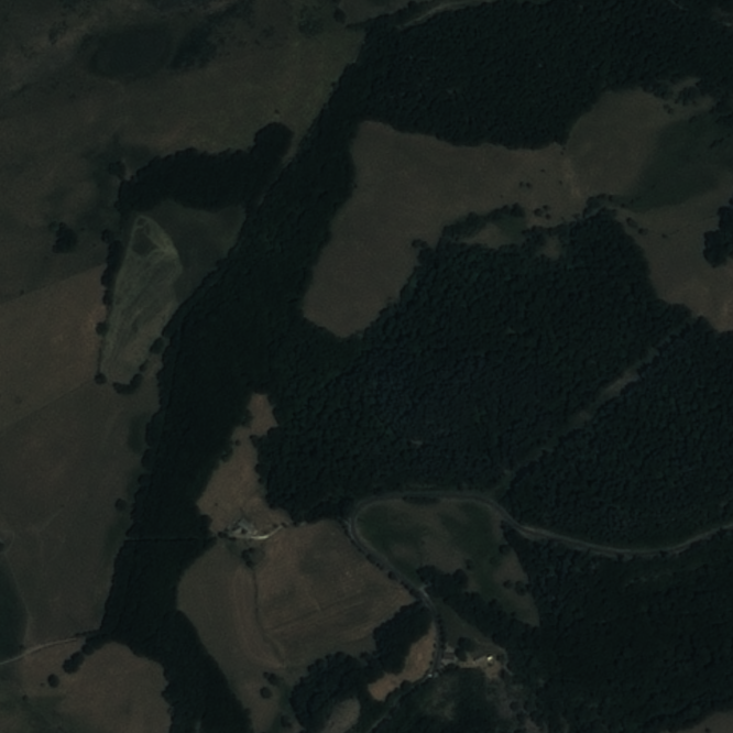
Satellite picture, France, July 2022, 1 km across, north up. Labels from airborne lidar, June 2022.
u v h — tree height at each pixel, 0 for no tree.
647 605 7
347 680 19
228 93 0
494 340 18
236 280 13
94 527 0
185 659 17
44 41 0
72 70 0
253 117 0
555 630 12
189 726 14
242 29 0
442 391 19
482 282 17
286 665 0
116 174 9
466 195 0
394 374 16
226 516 0
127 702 0
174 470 13
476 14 13
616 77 17
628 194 0
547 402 21
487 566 0
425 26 12
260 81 0
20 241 0
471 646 19
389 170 0
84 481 0
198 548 18
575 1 15
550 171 0
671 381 13
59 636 0
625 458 18
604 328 11
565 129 16
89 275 0
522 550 20
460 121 13
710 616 19
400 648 19
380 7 0
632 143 0
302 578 0
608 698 11
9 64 0
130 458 0
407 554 0
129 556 14
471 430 18
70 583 0
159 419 12
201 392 16
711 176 0
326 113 14
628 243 17
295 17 0
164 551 16
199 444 18
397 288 0
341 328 0
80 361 0
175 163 15
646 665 17
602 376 18
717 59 16
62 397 0
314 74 0
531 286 20
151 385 0
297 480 15
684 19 16
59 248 10
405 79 12
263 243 11
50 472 0
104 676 0
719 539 14
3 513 0
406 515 0
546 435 14
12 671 0
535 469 19
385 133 0
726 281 0
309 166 12
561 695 12
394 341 18
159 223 0
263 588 0
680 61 17
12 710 0
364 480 20
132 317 0
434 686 14
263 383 14
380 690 0
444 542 0
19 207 0
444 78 12
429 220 0
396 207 0
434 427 15
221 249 0
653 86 8
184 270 0
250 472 0
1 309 0
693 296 0
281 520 0
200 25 0
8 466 0
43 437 0
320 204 17
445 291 9
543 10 16
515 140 16
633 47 20
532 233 10
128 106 0
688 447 16
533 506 13
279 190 10
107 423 0
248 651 0
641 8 18
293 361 16
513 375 15
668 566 15
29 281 0
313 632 0
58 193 0
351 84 16
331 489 10
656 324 17
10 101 0
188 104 0
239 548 0
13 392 0
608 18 14
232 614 0
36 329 0
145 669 0
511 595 0
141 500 12
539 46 12
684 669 18
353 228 0
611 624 16
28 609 0
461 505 0
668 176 0
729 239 9
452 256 11
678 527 16
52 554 0
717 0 11
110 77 0
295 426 17
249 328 17
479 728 13
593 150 0
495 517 0
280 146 14
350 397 19
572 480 21
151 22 0
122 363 0
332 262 0
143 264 0
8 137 0
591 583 18
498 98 15
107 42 0
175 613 14
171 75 0
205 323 16
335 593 0
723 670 19
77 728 0
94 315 0
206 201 10
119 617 10
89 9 0
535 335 18
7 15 0
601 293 13
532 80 15
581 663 12
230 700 17
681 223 0
